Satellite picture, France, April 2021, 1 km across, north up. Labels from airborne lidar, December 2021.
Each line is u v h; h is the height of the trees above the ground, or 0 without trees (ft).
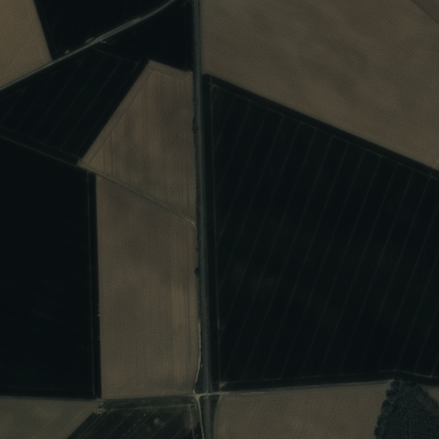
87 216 0
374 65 0
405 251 0
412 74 0
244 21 0
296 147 0
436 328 0
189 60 0
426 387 0
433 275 0
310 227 0
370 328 0
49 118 0
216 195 0
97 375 0
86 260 0
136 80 0
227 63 0
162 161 0
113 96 0
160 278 0
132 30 0
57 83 0
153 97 0
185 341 0
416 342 0
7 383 0
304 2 0
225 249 0
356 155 0
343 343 0
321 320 0
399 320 0
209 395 0
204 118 0
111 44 0
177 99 0
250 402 0
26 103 0
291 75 0
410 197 0
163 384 0
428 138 0
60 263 0
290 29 0
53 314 0
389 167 0
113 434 0
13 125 0
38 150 0
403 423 89
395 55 0
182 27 0
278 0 0
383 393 0
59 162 0
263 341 0
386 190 0
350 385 0
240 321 0
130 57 0
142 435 0
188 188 0
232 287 0
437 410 93
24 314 0
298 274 0
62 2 0
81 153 0
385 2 0
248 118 0
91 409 0
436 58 0
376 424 0
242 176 0
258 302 0
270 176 0
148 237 0
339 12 0
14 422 0
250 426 0
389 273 0
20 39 0
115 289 0
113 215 0
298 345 0
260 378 0
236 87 0
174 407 0
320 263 0
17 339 0
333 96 0
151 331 0
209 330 0
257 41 0
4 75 0
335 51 0
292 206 0
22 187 0
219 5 0
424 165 0
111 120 0
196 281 0
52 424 0
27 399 0
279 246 0
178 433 0
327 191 0
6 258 0
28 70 0
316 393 0
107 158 0
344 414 0
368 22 0
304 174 0
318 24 0
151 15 0
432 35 0
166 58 0
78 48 0
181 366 0
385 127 0
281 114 0
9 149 0
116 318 0
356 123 0
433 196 0
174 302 0
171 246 0
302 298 0
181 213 0
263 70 0
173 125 0
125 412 0
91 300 0
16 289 0
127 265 0
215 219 0
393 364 0
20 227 0
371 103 0
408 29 0
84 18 0
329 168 0
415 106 0
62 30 0
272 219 0
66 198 0
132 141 0
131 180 0
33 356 0
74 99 0
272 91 0
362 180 0
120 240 0
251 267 0
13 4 0
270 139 0
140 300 0
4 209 0
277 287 0
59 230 0
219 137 0
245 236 0
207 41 0
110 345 0
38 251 0
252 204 0
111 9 0
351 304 0
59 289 0
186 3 0
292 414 0
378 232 0
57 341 0
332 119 0
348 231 0
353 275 0
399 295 0
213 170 0
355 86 0
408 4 0
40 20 0
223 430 0
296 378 0
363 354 0
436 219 0
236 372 0
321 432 0
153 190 0
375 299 0
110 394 0
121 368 0
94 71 0
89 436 0
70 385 0
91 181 0
